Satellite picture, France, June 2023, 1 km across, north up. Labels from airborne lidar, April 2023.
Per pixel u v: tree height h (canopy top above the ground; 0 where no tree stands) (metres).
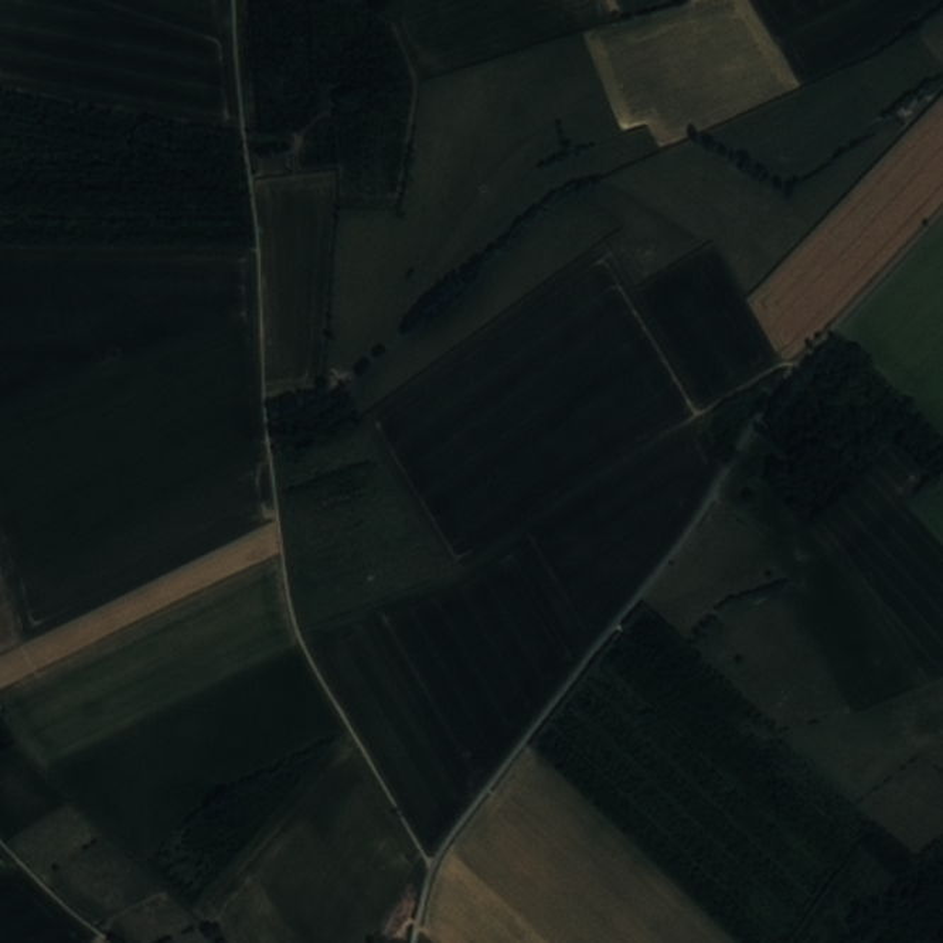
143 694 0
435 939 0
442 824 0
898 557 0
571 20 0
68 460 0
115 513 0
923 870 12
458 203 0
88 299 0
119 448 0
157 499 0
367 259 0
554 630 0
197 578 0
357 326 0
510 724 0
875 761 0
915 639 0
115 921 0
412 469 0
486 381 0
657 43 0
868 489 0
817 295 0
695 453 0
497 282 0
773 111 0
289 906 0
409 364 0
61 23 0
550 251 0
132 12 0
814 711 0
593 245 0
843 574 0
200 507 0
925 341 0
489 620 0
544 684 0
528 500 0
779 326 0
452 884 0
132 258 0
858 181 0
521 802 0
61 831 0
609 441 0
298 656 0
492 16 0
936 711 0
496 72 0
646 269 0
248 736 0
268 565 0
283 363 0
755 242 0
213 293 0
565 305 0
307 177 0
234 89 0
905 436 10
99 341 0
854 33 0
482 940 0
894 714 0
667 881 0
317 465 0
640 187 0
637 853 0
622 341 0
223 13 0
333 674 0
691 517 0
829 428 17
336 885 0
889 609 0
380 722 0
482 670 0
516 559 0
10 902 0
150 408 0
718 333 0
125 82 0
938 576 0
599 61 0
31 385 0
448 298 15
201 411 0
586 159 0
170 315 0
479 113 0
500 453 0
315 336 0
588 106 0
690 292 0
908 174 0
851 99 0
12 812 0
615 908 0
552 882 0
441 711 0
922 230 0
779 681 0
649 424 0
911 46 0
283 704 0
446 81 0
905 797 0
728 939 0
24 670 0
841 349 11
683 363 0
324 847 0
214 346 0
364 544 0
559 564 0
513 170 0
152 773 0
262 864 0
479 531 0
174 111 0
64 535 0
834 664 0
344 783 0
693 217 0
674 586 0
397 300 0
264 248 0
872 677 0
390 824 0
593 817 0
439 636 0
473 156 0
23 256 0
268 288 0
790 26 0
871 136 0
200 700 0
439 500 0
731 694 8
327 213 0
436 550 0
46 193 9
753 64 0
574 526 0
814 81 0
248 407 0
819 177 0
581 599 0
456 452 0
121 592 0
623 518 0
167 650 0
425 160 0
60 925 0
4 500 0
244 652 0
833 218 0
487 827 0
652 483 0
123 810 0
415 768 0
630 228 0
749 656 0
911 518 0
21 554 0
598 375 0
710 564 0
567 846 0
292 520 0
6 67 0
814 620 0
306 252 0
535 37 0
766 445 0
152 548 0
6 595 0
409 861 0
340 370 0
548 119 0
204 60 0
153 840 0
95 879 0
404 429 0
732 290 0
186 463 0
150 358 0
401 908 0
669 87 0
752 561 0
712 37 0
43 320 0
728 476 0
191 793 0
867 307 0
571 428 0
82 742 0
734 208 0
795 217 0
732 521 0
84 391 0
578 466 0
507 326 0
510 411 0
